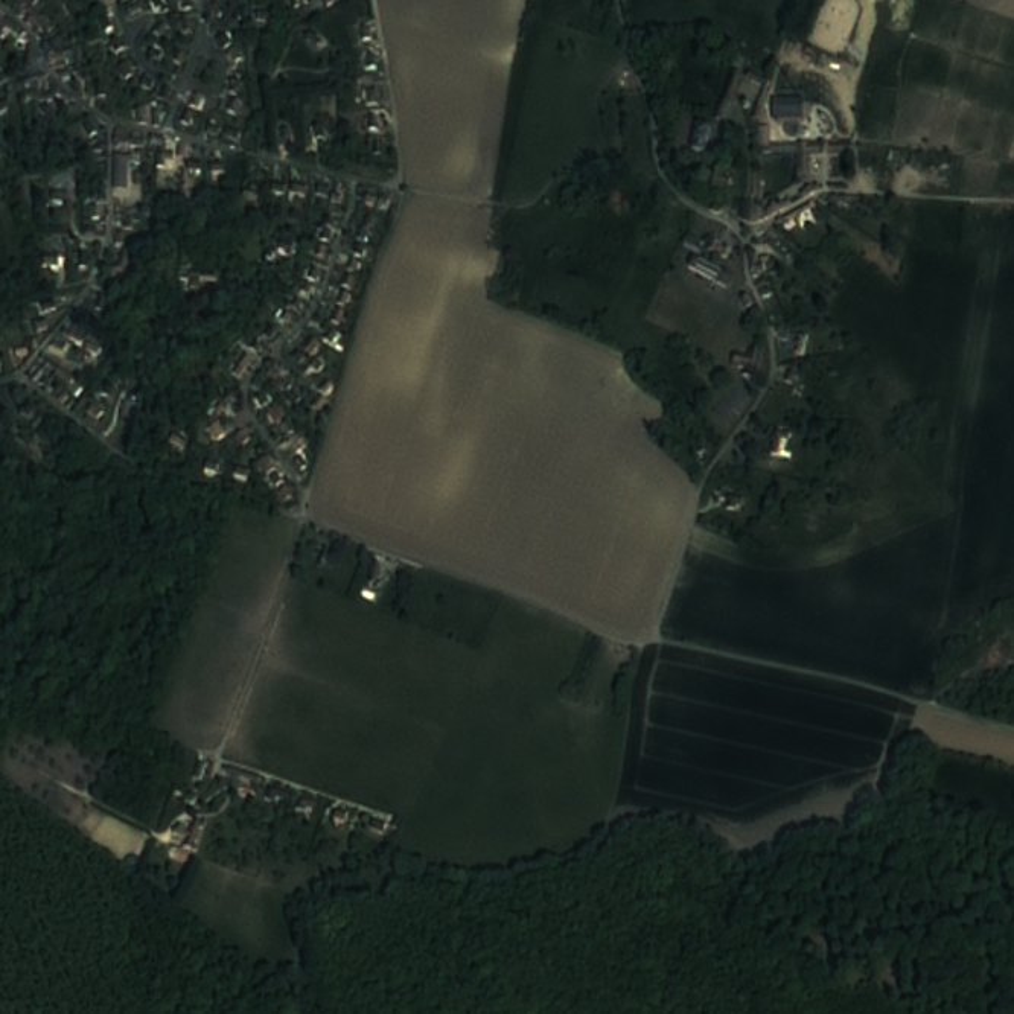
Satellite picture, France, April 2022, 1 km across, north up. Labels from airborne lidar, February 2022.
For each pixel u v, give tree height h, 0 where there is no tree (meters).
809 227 8
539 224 0
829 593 0
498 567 0
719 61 25
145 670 15
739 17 0
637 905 21
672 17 0
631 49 15
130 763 14
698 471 12
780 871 17
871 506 0
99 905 12
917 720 0
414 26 0
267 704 0
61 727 15
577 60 0
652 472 0
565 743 0
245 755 0
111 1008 12
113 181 0
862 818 22
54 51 0
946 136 0
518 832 0
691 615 0
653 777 0
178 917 11
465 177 0
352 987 20
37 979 13
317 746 0
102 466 25
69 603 29
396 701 0
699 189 22
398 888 16
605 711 0
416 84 0
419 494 0
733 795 0
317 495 0
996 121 0
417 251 0
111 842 0
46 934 16
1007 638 0
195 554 21
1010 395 0
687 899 22
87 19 9
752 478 12
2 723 16
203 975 14
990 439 0
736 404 0
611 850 18
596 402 0
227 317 24
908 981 27
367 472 0
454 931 23
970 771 0
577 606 0
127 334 23
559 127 0
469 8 0
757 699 0
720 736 0
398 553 0
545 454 0
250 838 0
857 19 0
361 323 0
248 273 18
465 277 0
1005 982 31
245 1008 15
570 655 0
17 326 11
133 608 11
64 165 17
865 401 0
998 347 0
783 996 18
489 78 0
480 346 0
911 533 0
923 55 0
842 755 0
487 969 26
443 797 0
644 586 0
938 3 0
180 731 0
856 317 0
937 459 0
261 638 0
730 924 19
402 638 0
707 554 0
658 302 0
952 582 0
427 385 0
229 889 0
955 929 31
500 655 0
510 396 0
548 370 0
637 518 0
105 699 23
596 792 0
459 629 0
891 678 0
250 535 0
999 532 0
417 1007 21
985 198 0
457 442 0
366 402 0
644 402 0
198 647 0
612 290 0
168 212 23
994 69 0
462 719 0
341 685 0
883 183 0
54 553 16
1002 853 23
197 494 15
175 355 24
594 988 22
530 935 27
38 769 12
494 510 0
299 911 11
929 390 0
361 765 0
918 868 32
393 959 21
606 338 12
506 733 0
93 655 16
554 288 0
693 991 14
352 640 0
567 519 0
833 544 0
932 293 0
